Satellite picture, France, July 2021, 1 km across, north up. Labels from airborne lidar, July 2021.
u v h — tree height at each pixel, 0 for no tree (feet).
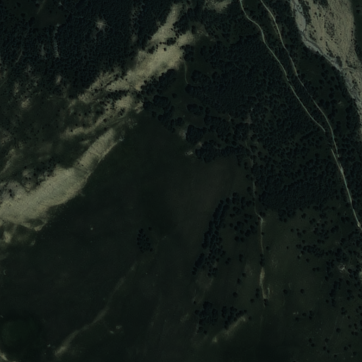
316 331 0
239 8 53
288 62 65
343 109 0
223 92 81
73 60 35
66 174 0
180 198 0
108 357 0
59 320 0
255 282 0
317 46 0
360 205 42
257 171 61
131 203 0
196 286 0
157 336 0
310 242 0
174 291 0
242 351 0
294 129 58
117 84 0
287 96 62
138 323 0
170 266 0
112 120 0
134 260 0
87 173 0
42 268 0
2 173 0
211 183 0
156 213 0
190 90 76
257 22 0
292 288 0
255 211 0
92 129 0
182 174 0
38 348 0
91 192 0
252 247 0
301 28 0
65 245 0
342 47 0
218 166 0
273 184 51
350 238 37
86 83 22
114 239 0
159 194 0
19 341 0
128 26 49
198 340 0
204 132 67
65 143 0
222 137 35
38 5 46
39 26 0
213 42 0
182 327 0
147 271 0
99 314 0
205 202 0
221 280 0
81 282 0
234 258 0
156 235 0
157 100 74
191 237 0
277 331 0
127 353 0
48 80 20
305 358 0
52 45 39
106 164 0
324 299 0
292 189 72
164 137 0
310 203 61
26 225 0
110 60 40
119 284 0
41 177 0
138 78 0
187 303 0
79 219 0
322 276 0
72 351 0
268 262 0
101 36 48
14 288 0
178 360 0
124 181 0
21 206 0
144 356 0
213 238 69
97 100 0
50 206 0
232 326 0
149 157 0
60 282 0
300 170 55
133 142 0
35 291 0
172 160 0
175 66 0
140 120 0
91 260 0
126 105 0
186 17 70
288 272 0
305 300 0
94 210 0
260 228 0
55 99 0
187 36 0
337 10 0
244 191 0
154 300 0
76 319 0
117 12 67
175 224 0
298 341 0
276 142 58
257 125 35
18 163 0
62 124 0
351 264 0
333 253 48
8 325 0
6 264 0
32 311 0
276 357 0
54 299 0
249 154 54
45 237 0
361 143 53
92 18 54
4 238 0
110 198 0
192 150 0
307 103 53
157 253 0
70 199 0
